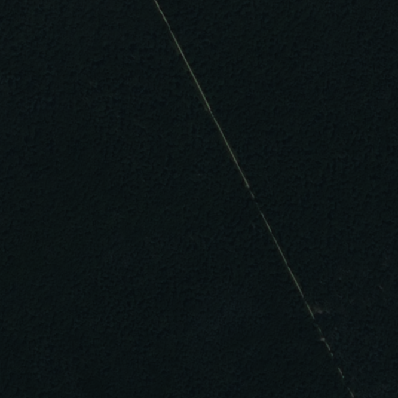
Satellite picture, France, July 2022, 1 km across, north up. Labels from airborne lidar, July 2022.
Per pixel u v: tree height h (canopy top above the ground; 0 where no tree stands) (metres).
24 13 25
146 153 24
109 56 28
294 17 24
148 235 22
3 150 24
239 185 23
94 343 24
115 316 24
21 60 18
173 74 23
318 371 19
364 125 26
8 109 28
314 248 24
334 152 26
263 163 24
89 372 23
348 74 23
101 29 22
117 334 23
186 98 28
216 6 27
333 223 21
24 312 22
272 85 22
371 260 28
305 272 26
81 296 24
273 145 22
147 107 28
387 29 22
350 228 19
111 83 29
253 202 24
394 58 22
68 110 26
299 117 23
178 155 24
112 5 26
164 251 24
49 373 23
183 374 13
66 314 23
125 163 23
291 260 22
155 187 21
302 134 27
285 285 26
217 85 24
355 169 25
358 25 18
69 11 24
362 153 22
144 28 22
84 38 26
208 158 31
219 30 24
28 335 25
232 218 16
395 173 25
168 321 20
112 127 23
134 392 27
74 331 22
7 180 25
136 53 30
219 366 12
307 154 28
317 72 23
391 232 21
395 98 25
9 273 25
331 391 24
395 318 24
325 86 13
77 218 23
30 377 21
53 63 27
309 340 25
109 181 23
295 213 22
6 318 19
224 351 19
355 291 26
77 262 22
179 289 23
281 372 23
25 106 22
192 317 21
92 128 23
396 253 25
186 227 18
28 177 25
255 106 25
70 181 25
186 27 23
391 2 24
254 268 26
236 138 21
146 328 23
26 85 19
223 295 18
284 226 27
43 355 19
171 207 23
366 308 23
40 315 25
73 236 24
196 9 23
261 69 23
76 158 26
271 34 20
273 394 20
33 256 23
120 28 20
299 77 20
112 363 25
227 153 21
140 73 26
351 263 24
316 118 27
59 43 27
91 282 24
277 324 27
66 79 17
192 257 21
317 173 24
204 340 18
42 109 29
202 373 14
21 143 21
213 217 21
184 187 25
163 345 25
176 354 13
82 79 26
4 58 25
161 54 26
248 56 22
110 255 22
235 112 21
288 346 21
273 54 26
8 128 26
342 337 25
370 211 22
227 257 25
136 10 24
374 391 27
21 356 21
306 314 28
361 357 22
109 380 24
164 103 29
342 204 22
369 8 18
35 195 26
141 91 27
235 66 24
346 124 24
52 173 28
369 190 24
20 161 27
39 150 26
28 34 25
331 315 12
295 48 18
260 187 18
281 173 25
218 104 21
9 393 22
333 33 24
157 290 20
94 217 19
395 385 17
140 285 22
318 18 22
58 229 25
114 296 22
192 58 23
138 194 24
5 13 20
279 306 25
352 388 25
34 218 25
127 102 29
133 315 24
